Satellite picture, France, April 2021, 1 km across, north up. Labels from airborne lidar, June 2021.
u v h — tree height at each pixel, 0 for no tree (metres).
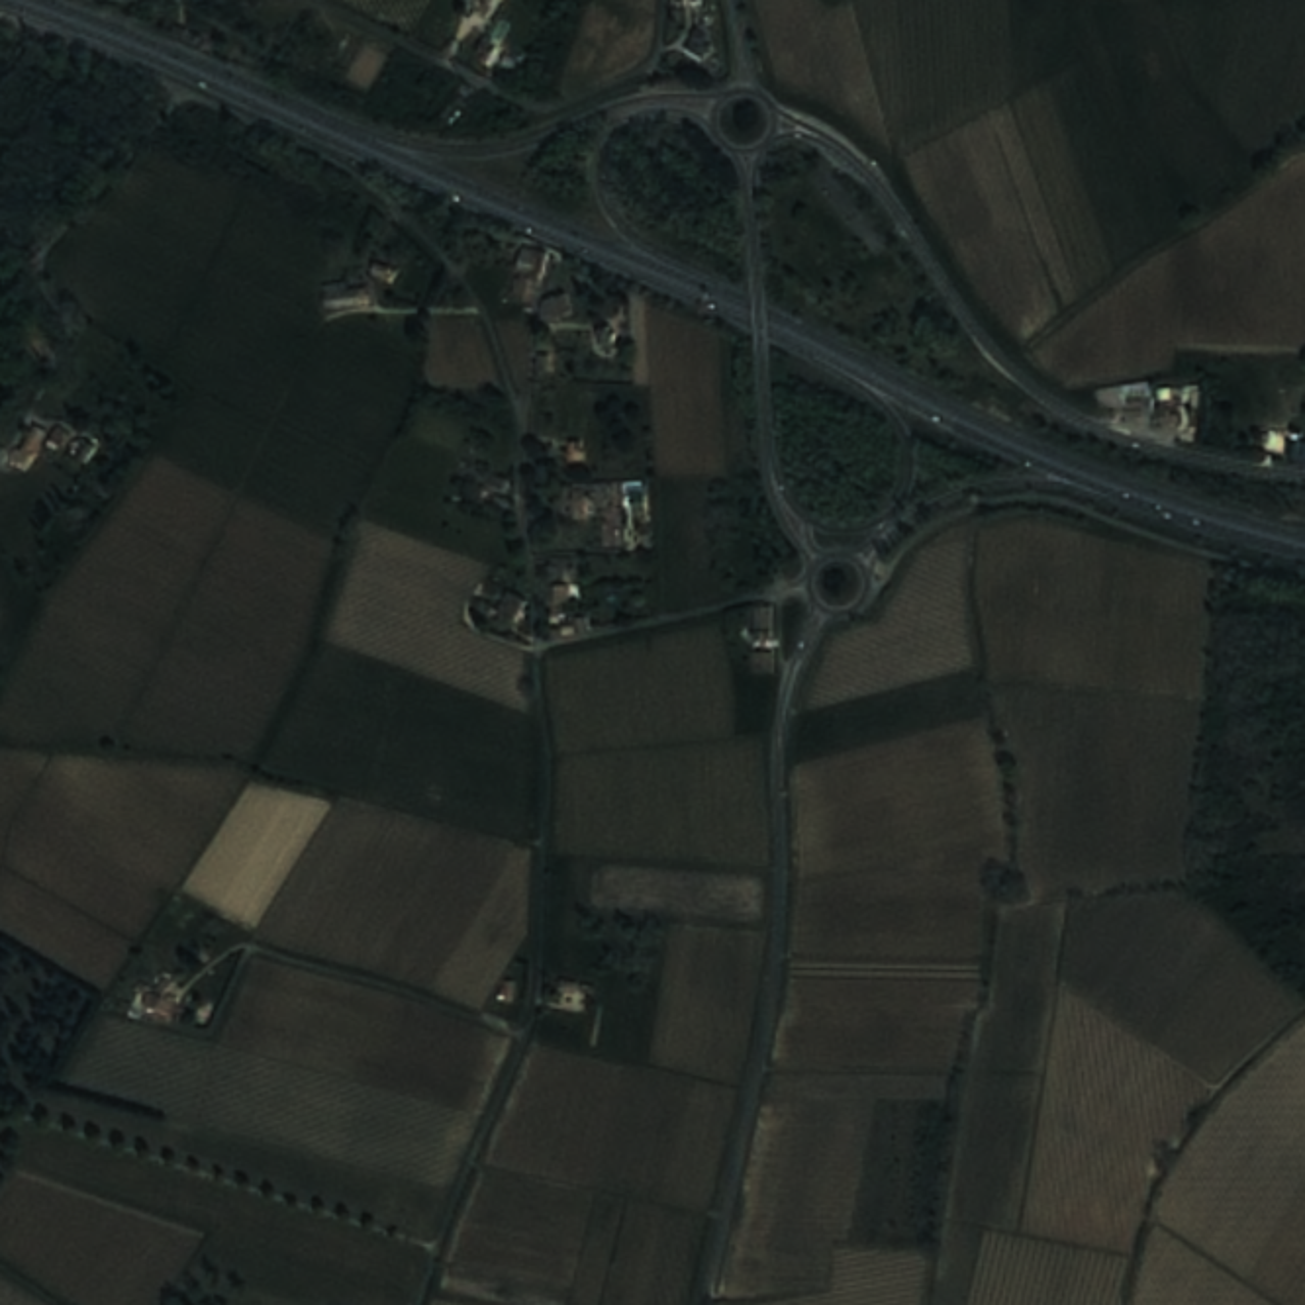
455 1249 0
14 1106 15
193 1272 0
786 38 0
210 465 0
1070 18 0
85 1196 0
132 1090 0
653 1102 0
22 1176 0
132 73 10
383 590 0
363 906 0
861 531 0
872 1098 0
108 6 12
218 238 0
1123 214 0
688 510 0
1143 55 0
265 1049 0
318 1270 0
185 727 0
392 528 0
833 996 0
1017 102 0
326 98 15
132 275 0
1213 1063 0
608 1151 0
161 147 11
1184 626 0
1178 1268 0
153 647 0
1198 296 0
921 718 0
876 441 10
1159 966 0
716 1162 0
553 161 8
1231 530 0
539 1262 0
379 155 0
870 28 0
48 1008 12
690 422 0
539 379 7
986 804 0
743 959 0
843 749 0
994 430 0
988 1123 0
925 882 0
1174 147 0
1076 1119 0
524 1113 0
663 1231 0
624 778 0
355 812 0
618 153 12
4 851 0
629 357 13
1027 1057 0
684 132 7
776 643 0
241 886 0
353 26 0
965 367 0
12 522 0
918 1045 0
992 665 0
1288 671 11
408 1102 0
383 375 0
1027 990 0
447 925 0
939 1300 0
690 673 0
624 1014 0
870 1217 0
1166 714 0
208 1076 0
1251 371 0
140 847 0
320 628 0
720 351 0
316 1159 0
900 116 0
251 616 0
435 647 0
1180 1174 0
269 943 0
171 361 0
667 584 0
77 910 0
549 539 12
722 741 0
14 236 19
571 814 0
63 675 0
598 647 0
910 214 0
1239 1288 0
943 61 0
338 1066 0
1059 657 0
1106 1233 0
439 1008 0
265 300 0
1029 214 0
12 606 0
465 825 0
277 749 0
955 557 0
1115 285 0
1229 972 0
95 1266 0
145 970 0
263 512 0
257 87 0
